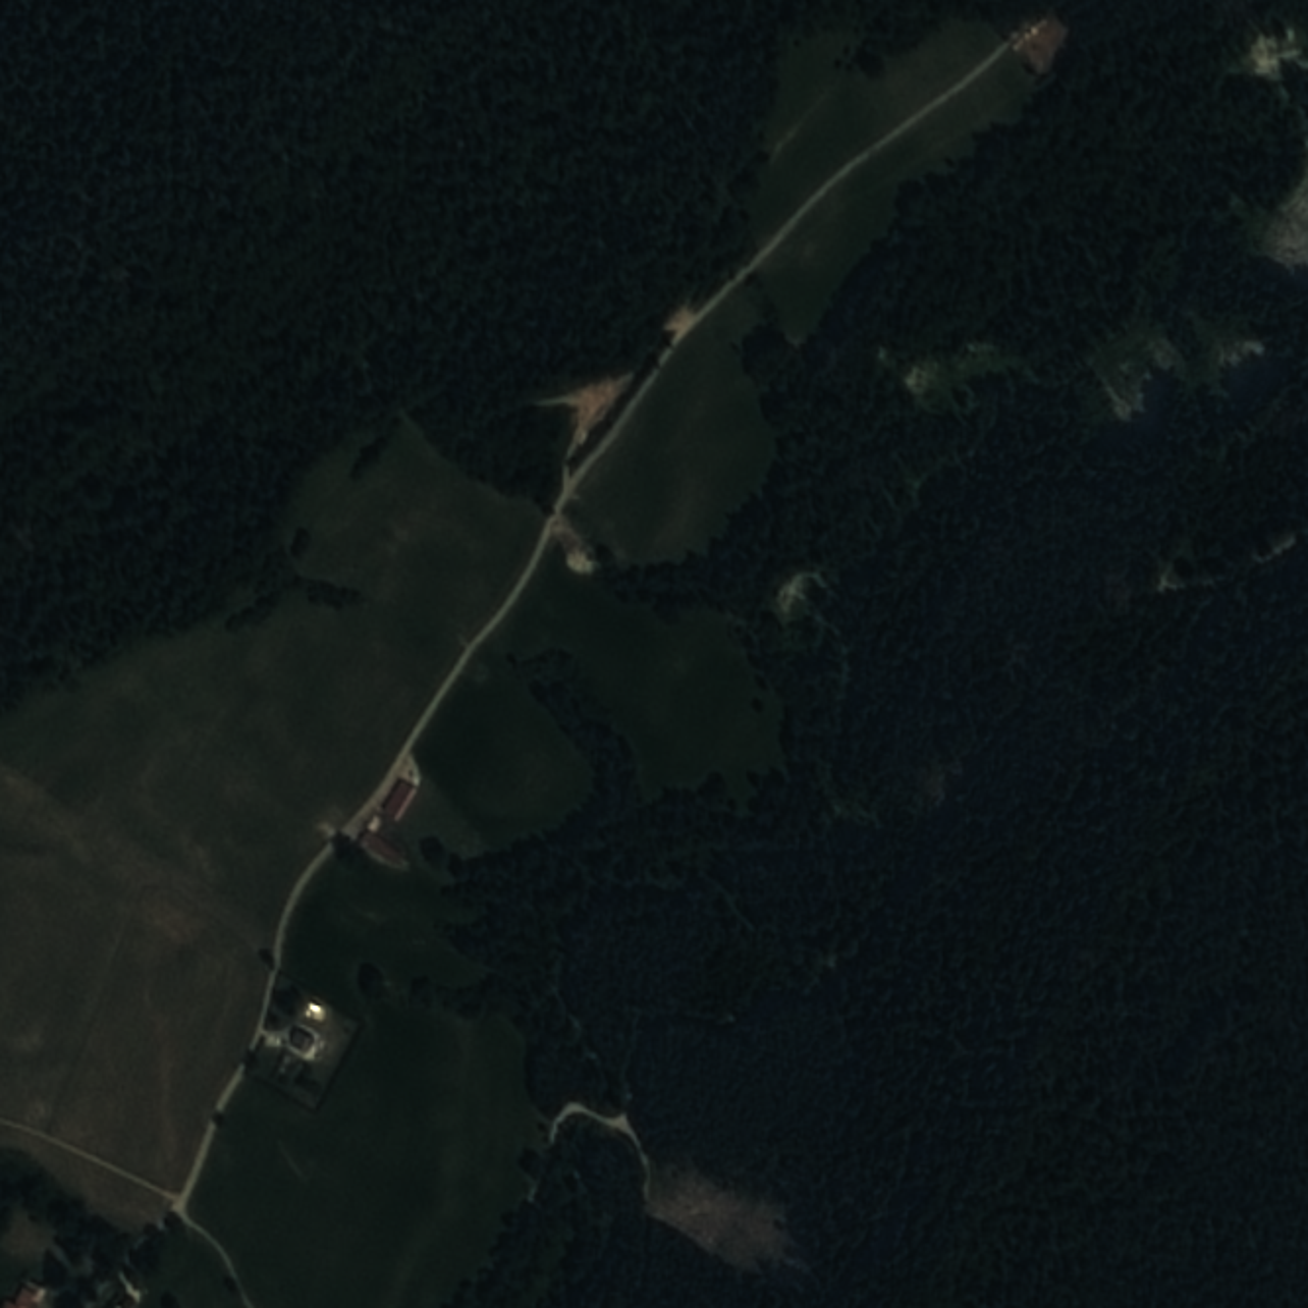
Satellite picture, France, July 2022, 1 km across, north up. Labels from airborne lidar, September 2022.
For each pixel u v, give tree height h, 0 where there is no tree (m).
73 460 26
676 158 29
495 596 0
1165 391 11
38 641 26
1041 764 23
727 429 0
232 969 0
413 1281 0
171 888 0
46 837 0
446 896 8
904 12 21
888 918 21
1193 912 29
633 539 0
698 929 29
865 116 0
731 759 0
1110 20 25
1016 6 24
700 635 0
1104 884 23
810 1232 29
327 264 23
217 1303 0
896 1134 33
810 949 22
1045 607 31
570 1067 22
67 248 28
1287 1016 12
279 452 25
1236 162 25
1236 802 24
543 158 30
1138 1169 18
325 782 0
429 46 26
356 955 0
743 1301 24
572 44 33
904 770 26
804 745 22
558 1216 20
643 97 25
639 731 0
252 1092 0
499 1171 0
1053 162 24
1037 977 31
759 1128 32
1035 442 24
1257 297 21
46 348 16
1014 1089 15
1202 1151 18
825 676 22
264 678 0
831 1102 34
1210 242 21
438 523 0
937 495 24
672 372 0
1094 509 29
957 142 0
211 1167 0
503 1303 24
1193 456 28
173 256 21
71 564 28
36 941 0
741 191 23
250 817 0
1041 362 18
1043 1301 6
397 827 0
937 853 29
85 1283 13
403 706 0
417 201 17
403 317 29
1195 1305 28
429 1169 0
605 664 0
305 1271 0
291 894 0
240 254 27
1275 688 19
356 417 25
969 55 0
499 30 27
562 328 27
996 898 33
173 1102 0
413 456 0
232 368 25
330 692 0
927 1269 16
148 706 0
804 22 33
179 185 28
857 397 18
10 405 22
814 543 16
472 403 26
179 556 29
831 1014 35
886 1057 34
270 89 12
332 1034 0
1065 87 24
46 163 17
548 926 22
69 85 15
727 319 0
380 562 0
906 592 16
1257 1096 26
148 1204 0
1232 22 23
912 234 25
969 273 30
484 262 29
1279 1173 27
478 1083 0
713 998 13
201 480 23
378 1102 0
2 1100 0
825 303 0
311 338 10
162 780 0
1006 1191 17
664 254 20
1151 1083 35
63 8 32
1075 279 21
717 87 36
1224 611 27
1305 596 25
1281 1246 20
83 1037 0
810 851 20
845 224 0
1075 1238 21
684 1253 21
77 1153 0
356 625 0
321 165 13
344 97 19
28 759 0
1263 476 18
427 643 0
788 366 25
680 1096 30
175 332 23
